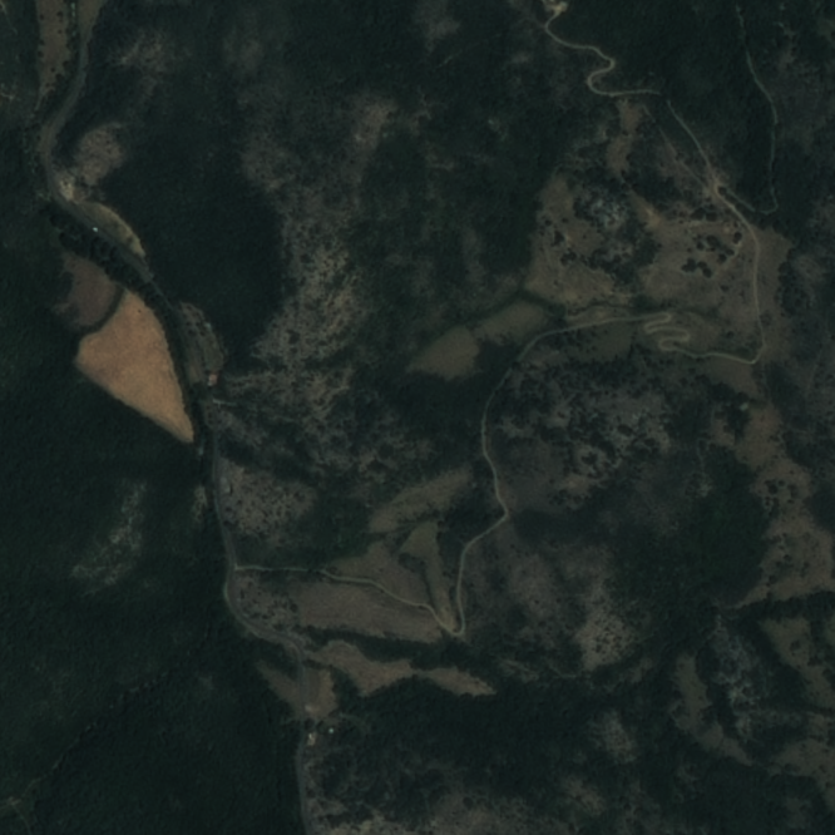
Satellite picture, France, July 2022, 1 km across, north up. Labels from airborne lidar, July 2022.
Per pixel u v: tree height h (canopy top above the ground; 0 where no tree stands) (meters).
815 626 6
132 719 12
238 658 7
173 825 9
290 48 7
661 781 12
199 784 7
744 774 11
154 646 8
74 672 8
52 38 0
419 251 7
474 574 0
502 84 6
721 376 0
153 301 17
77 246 15
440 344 0
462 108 6
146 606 10
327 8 6
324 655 0
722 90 11
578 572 0
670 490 0
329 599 0
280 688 0
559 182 0
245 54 0
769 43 9
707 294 0
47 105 6
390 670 0
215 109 6
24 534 8
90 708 7
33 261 0
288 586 0
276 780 8
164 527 8
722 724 8
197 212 8
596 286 0
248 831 14
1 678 12
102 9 8
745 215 7
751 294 0
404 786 8
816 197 5
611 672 10
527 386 6
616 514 0
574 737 10
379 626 0
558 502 6
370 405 7
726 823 8
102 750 11
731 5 13
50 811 8
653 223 0
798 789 11
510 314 0
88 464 10
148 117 6
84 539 7
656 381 7
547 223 6
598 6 8
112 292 0
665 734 9
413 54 6
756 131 15
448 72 6
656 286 0
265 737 11
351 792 7
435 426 7
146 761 9
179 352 6
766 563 0
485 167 7
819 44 9
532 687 7
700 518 9
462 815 0
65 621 8
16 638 13
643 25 10
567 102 7
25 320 11
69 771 7
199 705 8
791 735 7
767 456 0
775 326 0
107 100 6
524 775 7
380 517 0
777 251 0
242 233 6
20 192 6
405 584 0
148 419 7
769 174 8
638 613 6
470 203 6
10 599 16
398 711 6
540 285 0
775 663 7
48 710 8
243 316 7
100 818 6
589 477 6
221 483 0
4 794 6
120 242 0
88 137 0
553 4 0
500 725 9
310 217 0
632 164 6
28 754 11
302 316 0
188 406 10
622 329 0
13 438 9
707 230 0
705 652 8
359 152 0
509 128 8
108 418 8
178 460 8
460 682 0
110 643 9
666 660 9
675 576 7
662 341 0
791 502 8
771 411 0
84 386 6
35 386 15
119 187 6
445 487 0
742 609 8
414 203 6
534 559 0
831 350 0
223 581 9
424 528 0
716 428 0
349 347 7
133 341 0
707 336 0
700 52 9
